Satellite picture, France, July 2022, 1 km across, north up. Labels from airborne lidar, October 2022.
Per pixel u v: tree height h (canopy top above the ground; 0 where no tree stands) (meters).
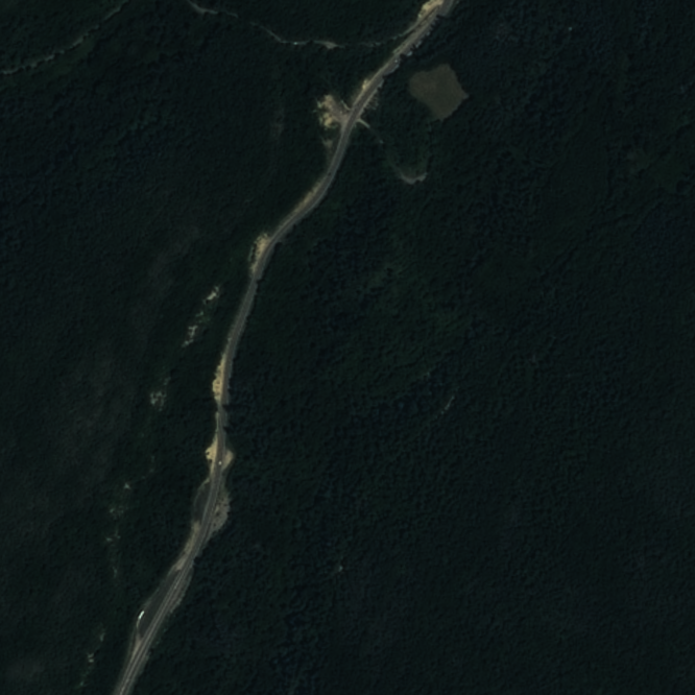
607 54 25
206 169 14
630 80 10
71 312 8
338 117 0
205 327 7
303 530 12
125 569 13
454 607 10
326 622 10
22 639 20
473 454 14
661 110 16
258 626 15
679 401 10
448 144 16
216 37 16
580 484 15
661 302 13
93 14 9
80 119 21
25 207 23
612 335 17
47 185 27
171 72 26
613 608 10
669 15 19
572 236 12
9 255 27
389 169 11
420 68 22
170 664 15
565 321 22
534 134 22
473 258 22
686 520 8
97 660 11
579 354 12
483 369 14
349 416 23
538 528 12
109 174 17
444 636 11
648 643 14
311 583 9
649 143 18
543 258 6
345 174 11
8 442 8
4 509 7
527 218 10
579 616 6
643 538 10
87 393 6
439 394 20
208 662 17
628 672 14
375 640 7
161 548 11
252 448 12
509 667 11
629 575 8
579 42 19
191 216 11
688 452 10
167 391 6
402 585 11
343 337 8
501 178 19
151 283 11
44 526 11
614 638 10
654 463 8
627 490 8
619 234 18
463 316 13
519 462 12
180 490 10
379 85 0
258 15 8
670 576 10
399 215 8
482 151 19
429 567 12
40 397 10
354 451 14
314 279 17
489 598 11
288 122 20
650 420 18
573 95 18
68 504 10
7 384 6
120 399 10
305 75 15
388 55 11
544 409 12
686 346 11
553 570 13
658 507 7
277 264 19
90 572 13
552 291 23
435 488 14
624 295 12
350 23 19
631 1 9
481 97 20
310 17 12
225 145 14
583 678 11
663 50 13
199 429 19
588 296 16
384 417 22
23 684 9
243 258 7
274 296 15
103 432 11
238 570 19
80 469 11
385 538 9
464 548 10
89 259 11
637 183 14
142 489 18
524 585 11
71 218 9
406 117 11
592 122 10
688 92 11
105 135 26
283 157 17
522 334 17
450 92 0
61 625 12
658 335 11
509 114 31
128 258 17
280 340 20
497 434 11
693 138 12
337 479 13
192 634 29
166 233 16
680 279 10
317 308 22
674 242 17
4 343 10
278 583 20
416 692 15
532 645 13
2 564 7
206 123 13
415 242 19
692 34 10
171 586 0
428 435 7
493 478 12
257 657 19
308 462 16
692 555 15
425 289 9
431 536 9
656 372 9
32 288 14
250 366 21
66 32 14
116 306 12
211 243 13
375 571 11
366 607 8
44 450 7
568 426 12
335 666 13
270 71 13
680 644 13
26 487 6
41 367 9
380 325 20
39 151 14
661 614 6
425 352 11
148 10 11
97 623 13
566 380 9
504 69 19
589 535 12
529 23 28
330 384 6
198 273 19
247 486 31
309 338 22
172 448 8
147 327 10
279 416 21
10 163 12
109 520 10
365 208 17
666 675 15
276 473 13
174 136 14
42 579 11
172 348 17
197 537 0
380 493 8
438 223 21
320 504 19
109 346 7
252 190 9
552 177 8
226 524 9
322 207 12
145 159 9
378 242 13
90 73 8
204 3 12
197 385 15
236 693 25
